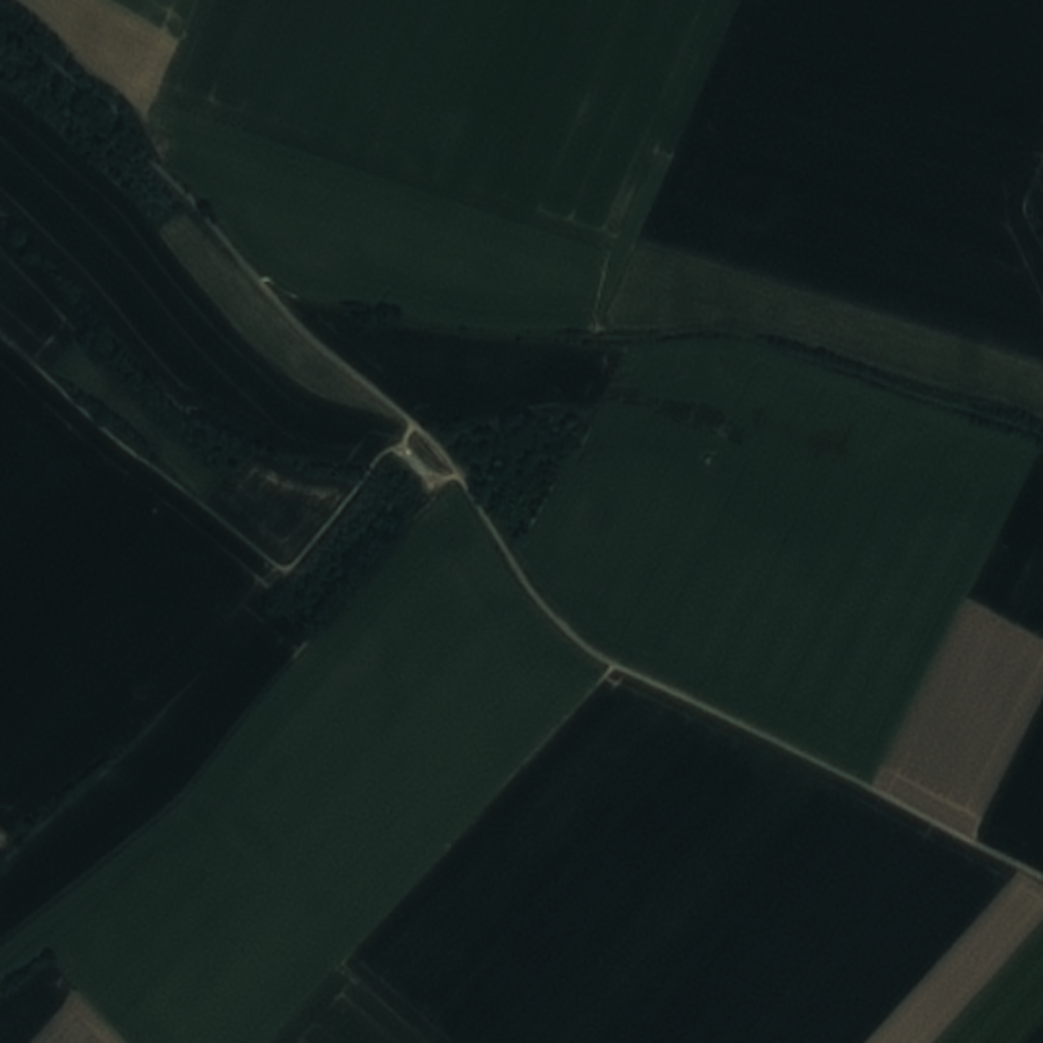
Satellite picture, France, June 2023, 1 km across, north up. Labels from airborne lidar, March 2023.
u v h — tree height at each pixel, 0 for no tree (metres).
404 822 0
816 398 0
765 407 0
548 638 0
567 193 0
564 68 0
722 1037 0
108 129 12
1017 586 0
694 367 0
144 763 0
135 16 0
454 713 0
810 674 0
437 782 0
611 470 0
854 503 0
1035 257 0
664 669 0
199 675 0
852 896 0
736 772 0
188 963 0
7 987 8
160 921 0
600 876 0
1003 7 0
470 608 0
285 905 0
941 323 0
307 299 0
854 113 0
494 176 0
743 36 0
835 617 0
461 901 0
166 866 0
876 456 0
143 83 0
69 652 0
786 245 0
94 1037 0
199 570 0
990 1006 0
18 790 0
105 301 0
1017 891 0
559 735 0
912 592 0
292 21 0
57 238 0
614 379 0
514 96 0
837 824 0
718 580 0
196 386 0
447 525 0
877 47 0
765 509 0
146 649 0
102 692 0
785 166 0
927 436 0
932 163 0
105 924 0
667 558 0
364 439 0
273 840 0
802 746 0
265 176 0
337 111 0
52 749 0
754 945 0
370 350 0
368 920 0
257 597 0
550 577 0
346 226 0
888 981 0
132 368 17
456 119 0
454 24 0
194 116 0
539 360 0
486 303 0
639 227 0
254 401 0
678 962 0
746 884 0
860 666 0
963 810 0
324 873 0
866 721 0
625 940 0
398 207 0
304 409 0
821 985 0
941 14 0
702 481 0
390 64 0
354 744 0
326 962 0
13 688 0
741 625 0
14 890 0
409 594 0
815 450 0
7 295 0
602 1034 0
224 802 0
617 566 0
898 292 0
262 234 0
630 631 0
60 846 0
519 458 8
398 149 0
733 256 0
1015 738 0
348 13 0
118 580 0
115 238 0
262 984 0
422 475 0
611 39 0
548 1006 0
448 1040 0
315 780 0
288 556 0
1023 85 0
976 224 0
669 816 0
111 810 0
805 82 0
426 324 0
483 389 0
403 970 0
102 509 0
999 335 0
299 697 0
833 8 0
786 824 0
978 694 0
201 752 0
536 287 0
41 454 0
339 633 0
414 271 0
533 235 0
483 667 0
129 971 0
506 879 0
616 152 0
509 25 0
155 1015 0
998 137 0
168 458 0
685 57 0
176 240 0
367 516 9
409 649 0
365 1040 0
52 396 0
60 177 0
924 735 0
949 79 0
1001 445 0
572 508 0
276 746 0
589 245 0
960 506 0
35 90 13
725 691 0
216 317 0
